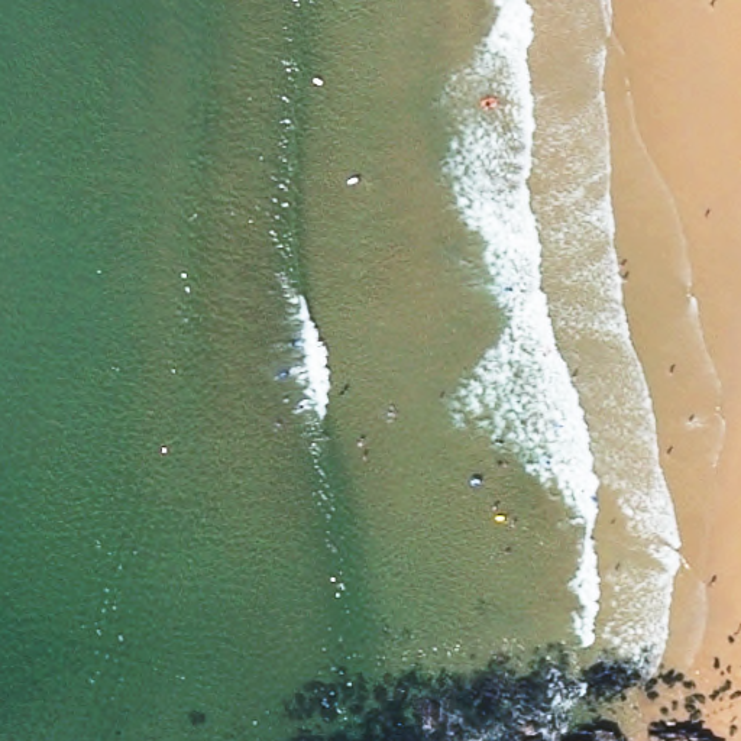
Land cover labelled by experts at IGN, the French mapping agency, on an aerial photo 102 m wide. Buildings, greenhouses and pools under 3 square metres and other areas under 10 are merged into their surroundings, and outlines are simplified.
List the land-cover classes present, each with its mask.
<instances>
[{"label":"water","instance_id":"1","mask_svg":"<svg viewBox=\"0 0 741 741\"><path fill-rule=\"evenodd\" d=\"M321 9H336V0H0V741H463L478 729H489L492 724H504L512 718L507 709H501L504 700L547 703V677L530 672L521 677L509 666L507 654L486 660L483 654H478L475 634L489 631V617H501L504 608L498 602L483 599L480 579L475 573H466L463 567L452 564V544H440L437 538H420L417 521L388 518L394 501H388L385 478H391V472L376 452L365 446V428H339V443H324L321 454H310V443L301 434L307 428V420L301 414L316 411L324 417L330 391L327 350L318 342L304 298L307 292H313V284L307 258L304 177L310 90L324 84L313 75V69L327 61L313 49L321 26Z\"/></svg>","mask_w":741,"mask_h":741},{"label":"bare soil","instance_id":"2","mask_svg":"<svg viewBox=\"0 0 741 741\"><path fill-rule=\"evenodd\" d=\"M327 61L313 69V75L324 84L310 90L304 177L307 258L313 284V292H307L304 298L318 342L327 350L330 391L324 417L316 411L301 414L307 420V428L301 434L310 443V454H321L324 443H339V428H365V446L376 452L391 472V478H385L388 501H394L388 518L417 521L420 538H437L440 544H452V564L463 567L466 573H475L480 579L483 599L498 602L504 608L501 617H489V631L475 634L478 654H483L486 660L507 654L509 666L521 677L530 672L547 677V703L504 700L501 709H507L512 718L504 724H492L489 729H478L463 741H741V0H336V9H321V26L313 49Z\"/></svg>","mask_w":741,"mask_h":741}]
</instances>
